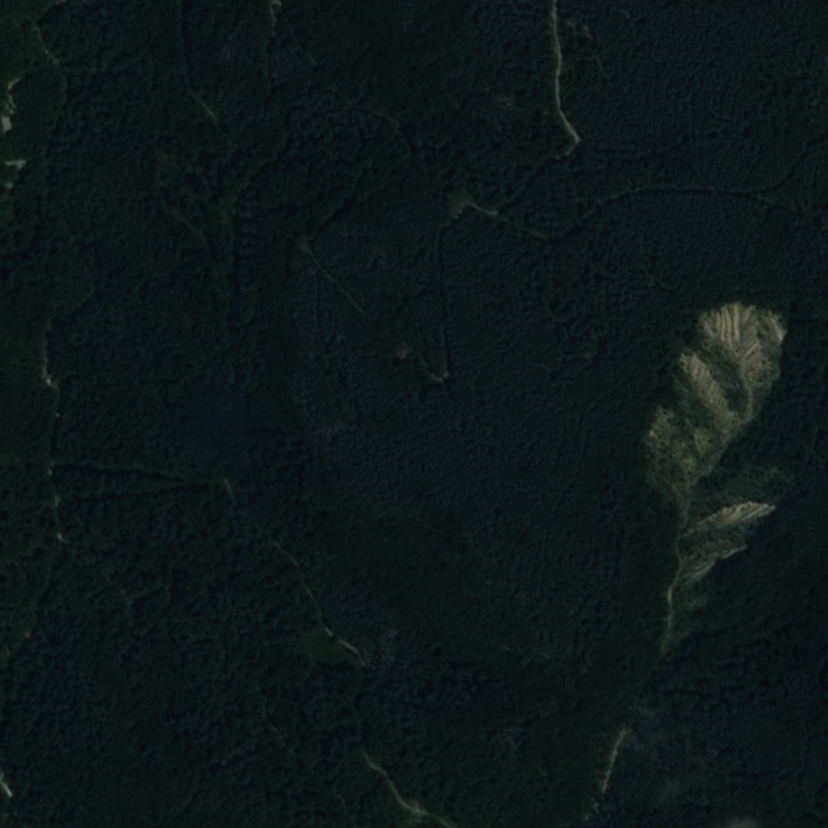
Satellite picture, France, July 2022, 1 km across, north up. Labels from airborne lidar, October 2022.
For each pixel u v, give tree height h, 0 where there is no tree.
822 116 21
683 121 21
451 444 23
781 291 21
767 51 19
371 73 24
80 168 30
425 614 23
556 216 23
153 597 24
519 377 18
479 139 34
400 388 23
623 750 9
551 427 21
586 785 24
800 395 23
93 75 17
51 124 23
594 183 21
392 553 23
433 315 25
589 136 23
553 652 7
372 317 21
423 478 22
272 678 37
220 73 31
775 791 19
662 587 19
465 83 21
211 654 21
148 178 24
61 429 24
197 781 26
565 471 21
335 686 32
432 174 24
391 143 30
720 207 21
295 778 39
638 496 18
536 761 26
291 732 28
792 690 33
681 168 22
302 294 22
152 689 29
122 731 33
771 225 20
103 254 30
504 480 23
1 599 20
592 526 22
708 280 20
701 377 0
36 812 25
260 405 25
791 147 23
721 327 0
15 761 27
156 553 22
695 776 24
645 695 13
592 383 13
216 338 31
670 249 19
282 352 35
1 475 25
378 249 19
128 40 18
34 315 23
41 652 19
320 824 45
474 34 19
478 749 27
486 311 19
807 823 33
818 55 18
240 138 25
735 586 23
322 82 24
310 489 27
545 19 23
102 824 28
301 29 23
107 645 32
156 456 28
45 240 31
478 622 23
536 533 18
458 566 13
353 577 26
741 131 16
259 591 29
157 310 28
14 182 11
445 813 14
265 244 28
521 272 17
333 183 35
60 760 26
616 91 13
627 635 20
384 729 31
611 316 16
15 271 30
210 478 27
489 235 17
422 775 21
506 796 20
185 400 22
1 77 23
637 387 16
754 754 23
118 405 27
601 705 13
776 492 7
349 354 22
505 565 17
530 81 23
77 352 22
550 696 23
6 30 13
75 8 8
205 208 21
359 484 23
